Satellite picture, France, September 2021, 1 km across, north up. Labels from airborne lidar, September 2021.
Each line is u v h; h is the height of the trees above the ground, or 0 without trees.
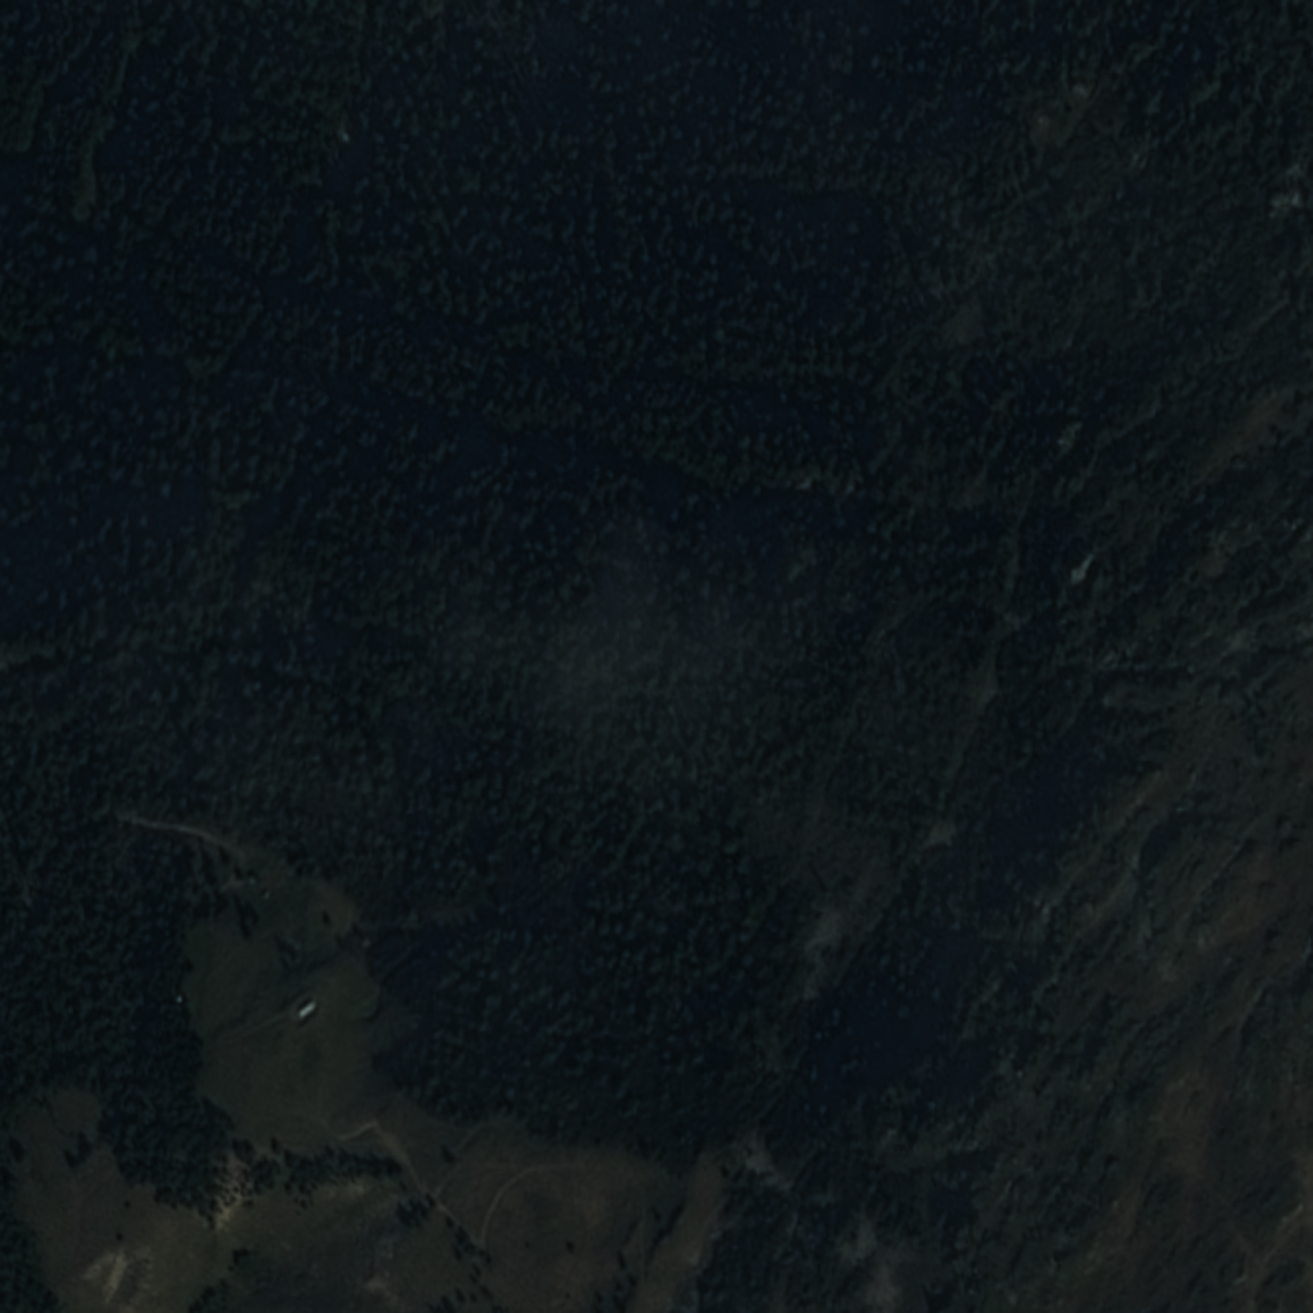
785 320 23
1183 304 11
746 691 12
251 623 8
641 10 12
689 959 9
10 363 15
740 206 6
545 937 7
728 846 12
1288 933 0
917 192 7
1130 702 0
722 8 33
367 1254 0
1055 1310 0
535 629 15
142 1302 0
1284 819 0
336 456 28
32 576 11
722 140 21
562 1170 0
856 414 13
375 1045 0
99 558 7
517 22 9
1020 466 9
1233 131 15
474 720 8
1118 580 6
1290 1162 0
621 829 8
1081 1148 0
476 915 0
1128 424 0
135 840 7
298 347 15
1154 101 15
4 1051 10
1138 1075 0
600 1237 0
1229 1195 0
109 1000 8
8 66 12
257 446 15
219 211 23
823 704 7
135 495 11
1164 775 0
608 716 10
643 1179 0
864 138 22
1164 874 0
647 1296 0
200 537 19
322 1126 0
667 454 17
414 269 9
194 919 9
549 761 15
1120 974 0
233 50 12
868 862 0
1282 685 0
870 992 8
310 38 16
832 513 11
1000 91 16
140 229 19
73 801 8
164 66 21
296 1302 0
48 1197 0
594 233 11
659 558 6
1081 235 6
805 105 8
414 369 27
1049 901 0
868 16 15
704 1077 8
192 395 27
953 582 9
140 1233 0
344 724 12
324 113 10
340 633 10
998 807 8
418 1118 0
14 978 14
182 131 16
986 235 9
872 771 11
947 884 5
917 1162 0
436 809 11
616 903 8
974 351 6
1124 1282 0
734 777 7
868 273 14
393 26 11
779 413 14
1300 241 7
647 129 10
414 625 17
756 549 6
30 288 17
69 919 8
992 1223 0
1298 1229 0
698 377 14
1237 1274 0
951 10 9
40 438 12
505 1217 0
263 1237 0
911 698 14
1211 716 0
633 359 15
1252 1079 0
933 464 0
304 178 14
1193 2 11
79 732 8
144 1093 17
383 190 13
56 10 33
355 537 17
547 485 25
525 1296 0
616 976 7
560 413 22
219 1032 0
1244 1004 0
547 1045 6
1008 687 6
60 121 18
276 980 0
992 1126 0
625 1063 7
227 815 9
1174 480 8
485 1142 0
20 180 19
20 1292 14
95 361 8
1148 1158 0
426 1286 0
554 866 9
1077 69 7
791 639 8
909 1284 0
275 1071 0
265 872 0
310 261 33
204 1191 7
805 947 0
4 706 7
